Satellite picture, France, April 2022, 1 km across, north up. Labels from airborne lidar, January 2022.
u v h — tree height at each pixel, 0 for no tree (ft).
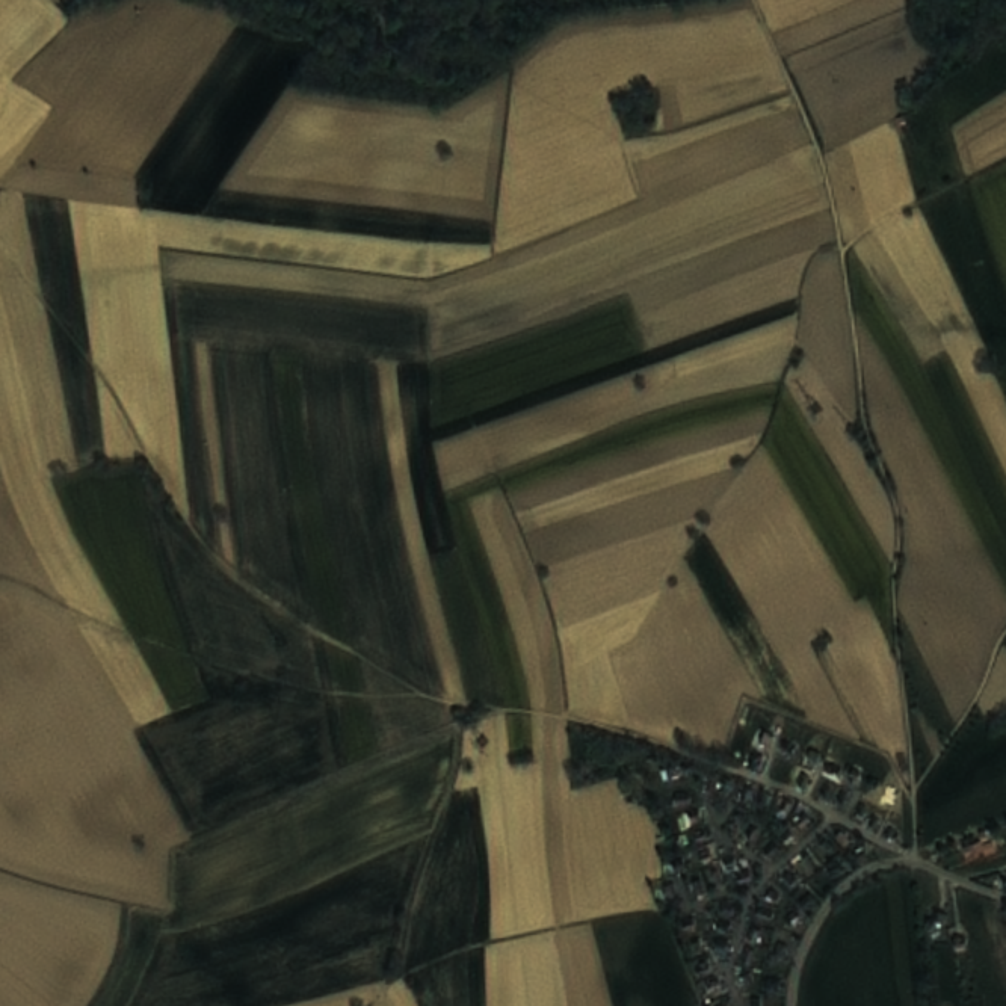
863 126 0
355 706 0
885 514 0
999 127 0
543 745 0
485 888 0
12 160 0
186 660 0
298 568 0
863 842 48
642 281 0
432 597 0
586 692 0
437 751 0
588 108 0
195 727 0
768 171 0
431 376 0
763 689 0
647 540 0
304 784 0
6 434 0
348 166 0
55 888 0
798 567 0
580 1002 0
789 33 0
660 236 0
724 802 54
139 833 0
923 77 56
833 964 0
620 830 0
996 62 0
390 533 0
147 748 0
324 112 0
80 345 0
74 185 0
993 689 0
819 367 0
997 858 0
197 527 0
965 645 0
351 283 0
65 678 0
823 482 0
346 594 0
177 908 0
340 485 0
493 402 0
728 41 0
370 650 0
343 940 0
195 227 0
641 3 75
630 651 0
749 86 0
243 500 0
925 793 0
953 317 0
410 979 29
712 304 0
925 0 69
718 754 48
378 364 0
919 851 0
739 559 0
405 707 0
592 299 0
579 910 0
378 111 0
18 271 0
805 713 0
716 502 0
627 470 0
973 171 0
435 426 0
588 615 0
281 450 0
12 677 0
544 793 0
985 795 0
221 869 0
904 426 0
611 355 0
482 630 0
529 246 0
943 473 0
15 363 0
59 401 0
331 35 84
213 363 0
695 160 0
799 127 0
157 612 0
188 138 0
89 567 0
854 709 0
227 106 0
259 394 0
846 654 0
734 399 0
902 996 0
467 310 0
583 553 0
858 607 0
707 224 0
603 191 0
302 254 0
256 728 0
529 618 0
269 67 0
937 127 0
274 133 0
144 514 0
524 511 0
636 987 0
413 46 88
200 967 0
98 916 0
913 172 0
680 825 0
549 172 0
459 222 0
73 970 0
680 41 0
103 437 0
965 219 0
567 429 0
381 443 0
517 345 0
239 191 0
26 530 0
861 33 0
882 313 0
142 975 0
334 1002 0
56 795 0
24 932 0
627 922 0
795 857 0
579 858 0
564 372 0
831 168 0
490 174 0
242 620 0
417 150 0
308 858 0
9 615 0
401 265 0
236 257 0
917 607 0
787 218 0
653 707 0
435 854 0
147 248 0
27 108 0
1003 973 0
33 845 0
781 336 0
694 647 0
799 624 0
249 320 0
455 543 0
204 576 0
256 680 29
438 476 0
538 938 0
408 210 0
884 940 0
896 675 0
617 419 0
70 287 0
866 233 0
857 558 0
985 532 0
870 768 0
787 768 0
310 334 0
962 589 0
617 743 41
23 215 0
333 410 0
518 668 0
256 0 92
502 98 0
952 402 0
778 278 0
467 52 107
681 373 0
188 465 0
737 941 0
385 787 0
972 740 0
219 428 0
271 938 0
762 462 0
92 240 0
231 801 0
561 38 0
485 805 0
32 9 0
